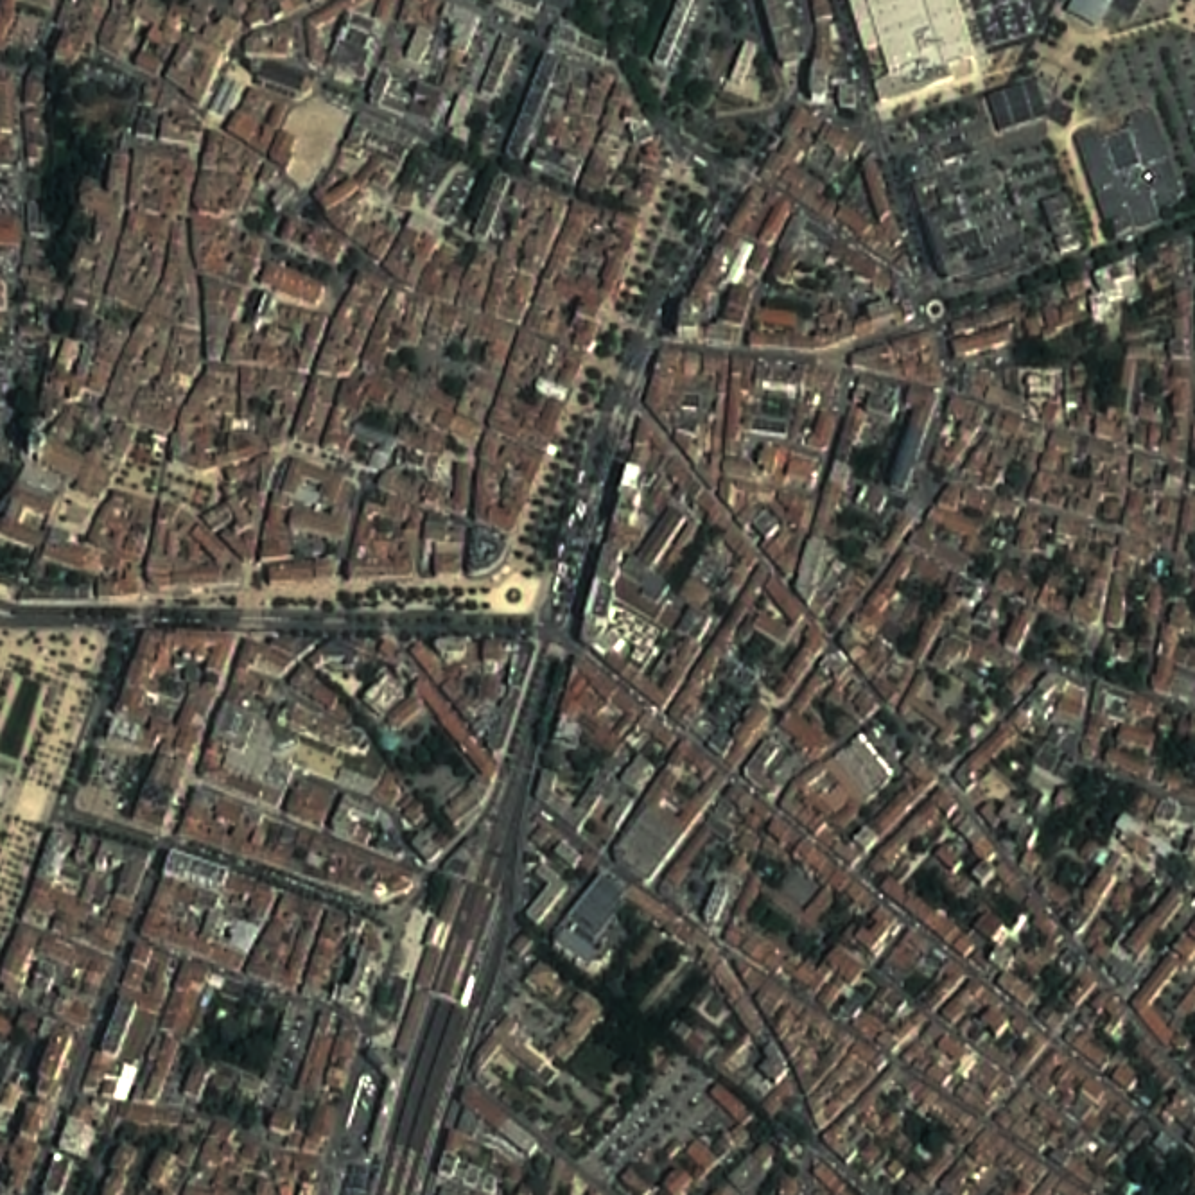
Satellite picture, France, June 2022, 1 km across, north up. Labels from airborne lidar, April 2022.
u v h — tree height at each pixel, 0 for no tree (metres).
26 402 26
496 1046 0
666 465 0
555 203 0
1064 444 0
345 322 0
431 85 9
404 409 0
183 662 0
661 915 0
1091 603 0
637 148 0
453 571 0
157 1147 15
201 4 0
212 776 0
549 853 9
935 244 0
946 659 0
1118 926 19
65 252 13
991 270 0
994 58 0
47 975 0
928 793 0
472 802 0
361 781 0
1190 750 18
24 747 0
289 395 0
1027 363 8
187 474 0
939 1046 0
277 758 0
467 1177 0
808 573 0
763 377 0
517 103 9
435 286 0
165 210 0
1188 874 12
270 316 0
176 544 0
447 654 0
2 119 0
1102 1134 6
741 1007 0
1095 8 0
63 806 0
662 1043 11
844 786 0
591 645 0
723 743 0
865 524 9
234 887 0
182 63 0
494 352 0
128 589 0
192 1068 14
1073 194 6
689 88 10
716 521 0
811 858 0
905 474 0
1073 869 12
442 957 0
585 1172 0
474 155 10
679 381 0
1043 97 0
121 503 0
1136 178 0
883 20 0
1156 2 0
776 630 0
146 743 0
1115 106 0
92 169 12
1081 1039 0
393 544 0
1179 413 0
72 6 0
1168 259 0
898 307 0
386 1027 0
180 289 0
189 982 0
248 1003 10
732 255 0
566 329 0
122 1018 0
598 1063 0
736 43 7
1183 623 0
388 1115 0
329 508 0
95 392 0
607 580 0
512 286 0
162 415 0
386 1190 0
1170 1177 17
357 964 0
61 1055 0
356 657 0
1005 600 7
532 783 0
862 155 0
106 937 0
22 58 11
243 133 0
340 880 0
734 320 0
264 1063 18
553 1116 9
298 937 0
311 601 8
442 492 0
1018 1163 0
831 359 0
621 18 10
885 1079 0
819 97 0
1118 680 13
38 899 0
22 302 8
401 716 0
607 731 0
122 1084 0
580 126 0
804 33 0
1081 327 9
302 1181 10
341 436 0
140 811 0
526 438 0
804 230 0
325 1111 0
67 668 7
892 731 15
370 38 0
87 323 0
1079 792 15
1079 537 0
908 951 0
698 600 0
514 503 0
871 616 0
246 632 0
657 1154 10
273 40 0
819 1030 0
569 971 9
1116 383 11
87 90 10
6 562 17
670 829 0
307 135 0
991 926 0
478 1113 0
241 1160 0
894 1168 0
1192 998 0
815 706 7
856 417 0
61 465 0
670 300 0
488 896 0
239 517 0
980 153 0
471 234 0
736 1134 0
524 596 0
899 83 0
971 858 12
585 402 10
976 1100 0
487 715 0
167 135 0
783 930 9
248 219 9
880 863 0
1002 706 8
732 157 8
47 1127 0
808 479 0
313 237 0
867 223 0
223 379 0
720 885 0
